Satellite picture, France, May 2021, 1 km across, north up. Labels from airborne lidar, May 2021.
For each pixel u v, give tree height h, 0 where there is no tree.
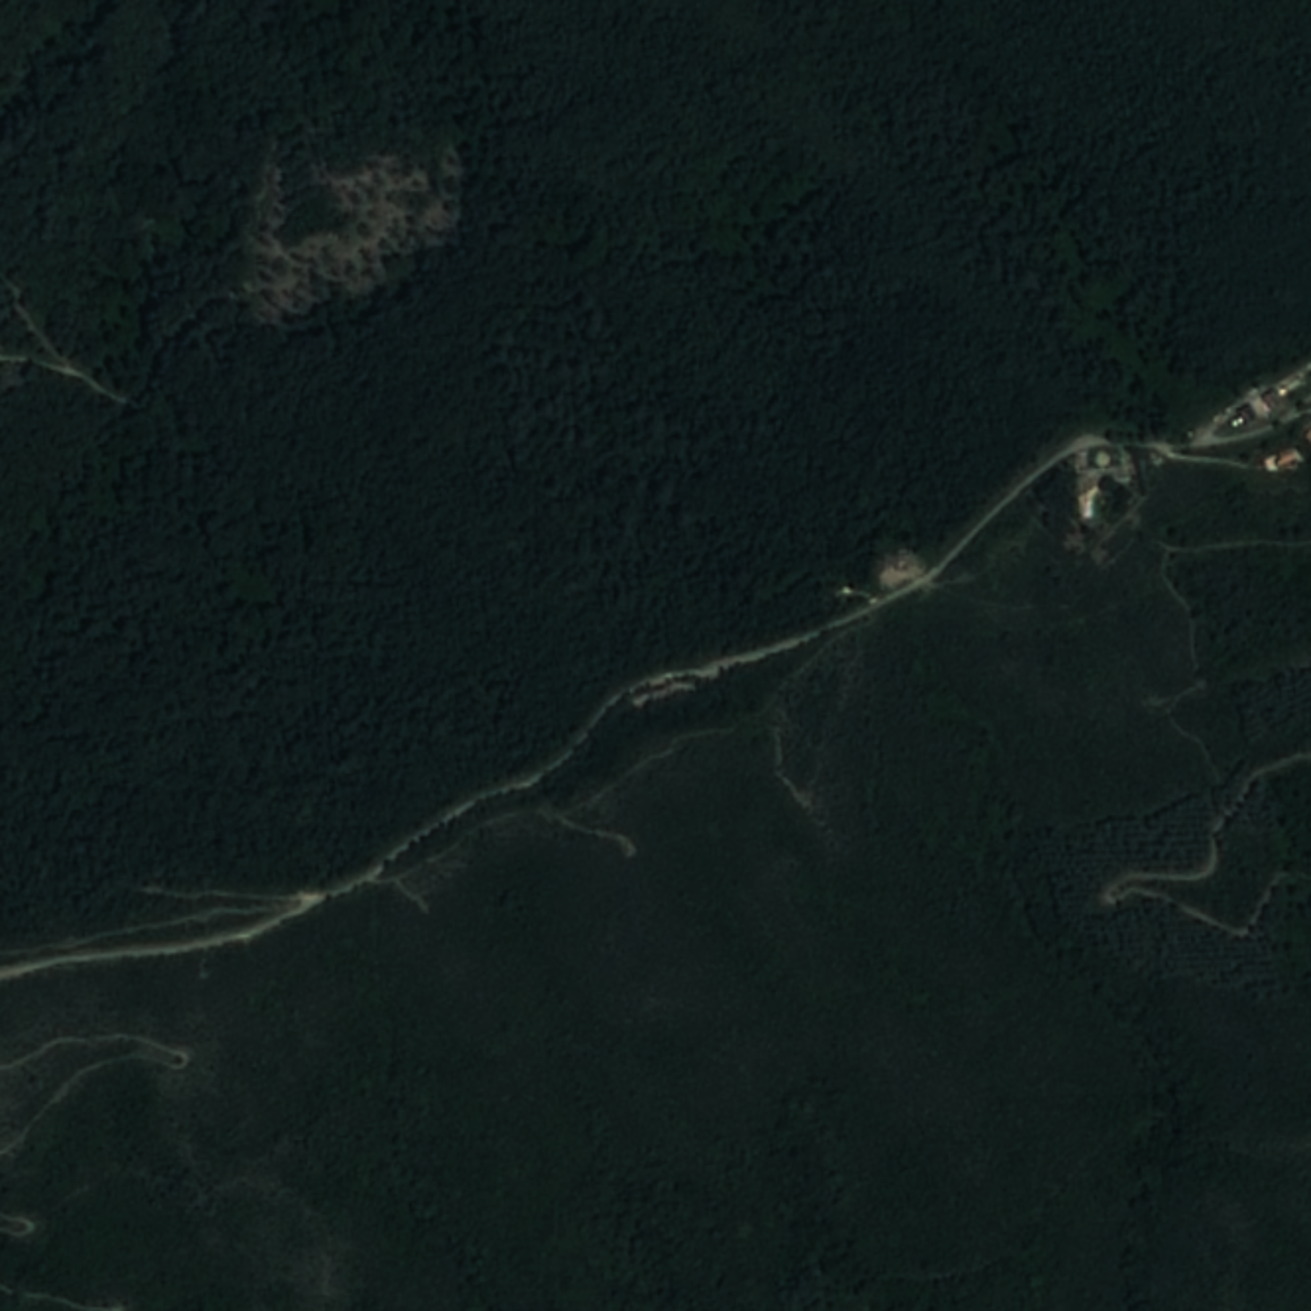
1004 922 7
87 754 19
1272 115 9
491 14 16
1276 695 16
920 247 9
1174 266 8
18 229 17
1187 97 15
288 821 11
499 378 19
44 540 19
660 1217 9
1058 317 17
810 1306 13
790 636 7
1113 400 13
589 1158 7
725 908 6
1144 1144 9
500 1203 6
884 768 7
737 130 11
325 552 16
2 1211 6
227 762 17
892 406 12
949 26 14
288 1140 13
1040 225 8
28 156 20
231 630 9
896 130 14
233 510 13
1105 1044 6
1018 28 14
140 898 9
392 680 13
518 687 14
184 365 18
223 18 14
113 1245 6
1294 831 7
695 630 10
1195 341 9
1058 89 9
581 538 15
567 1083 6
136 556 10
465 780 8
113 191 19
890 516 12
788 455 13
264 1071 6
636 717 9
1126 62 13
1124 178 13
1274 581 7
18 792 17
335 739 17
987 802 8
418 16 17
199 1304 8
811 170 8
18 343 11
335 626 14
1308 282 8
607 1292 7
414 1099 8
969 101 19
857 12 16
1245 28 14
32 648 14
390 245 12
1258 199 12
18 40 15
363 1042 7
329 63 23
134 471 8
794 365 13
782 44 13
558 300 15
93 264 9
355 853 8
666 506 9
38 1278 8
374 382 14
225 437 14
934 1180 7
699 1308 8
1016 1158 6
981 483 9
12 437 14
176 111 22
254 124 20
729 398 11
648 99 12
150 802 17
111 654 15
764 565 10
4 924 11
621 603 12
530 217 21
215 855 11
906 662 7
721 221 7
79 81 16
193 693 16
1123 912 12
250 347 19
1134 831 15
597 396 15
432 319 16
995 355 9
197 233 20
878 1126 6
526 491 17
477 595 11
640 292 11
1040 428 10
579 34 12
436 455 13
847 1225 8
